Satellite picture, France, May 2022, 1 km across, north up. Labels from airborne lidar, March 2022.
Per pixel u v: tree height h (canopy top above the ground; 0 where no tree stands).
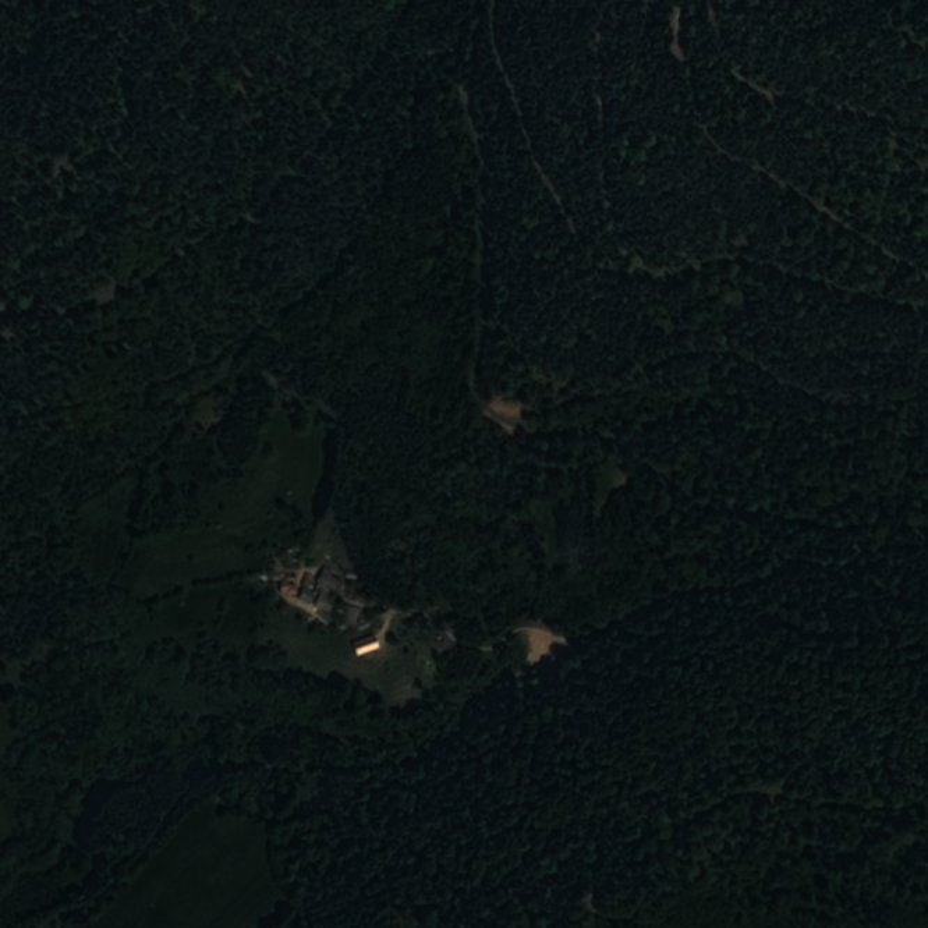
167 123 26
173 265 23
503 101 27
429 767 37
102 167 29
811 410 33
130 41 34
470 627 23
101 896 21
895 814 11
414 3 25
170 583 0
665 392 16
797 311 29
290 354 18
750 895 13
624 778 30
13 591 20
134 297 19
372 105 33
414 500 23
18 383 34
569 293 17
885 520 34
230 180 22
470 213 16
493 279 27
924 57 23
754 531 31
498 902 33
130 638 16
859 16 21
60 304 34
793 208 27
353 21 27
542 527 0
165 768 29
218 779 28
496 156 31
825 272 29
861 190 25
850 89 21
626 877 28
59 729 23
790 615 15
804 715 36
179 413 16
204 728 13
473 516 27
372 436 18
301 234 32
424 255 18
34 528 22
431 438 13
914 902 12
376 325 21
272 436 0
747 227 26
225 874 0
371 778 27
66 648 30
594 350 31
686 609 16
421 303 19
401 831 32
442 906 29
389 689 0
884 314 31
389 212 17
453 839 35
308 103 23
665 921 16
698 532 32
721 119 24
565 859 29
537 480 34
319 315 20
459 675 8
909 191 30
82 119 29
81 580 37
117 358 29
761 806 26
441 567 11
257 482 0
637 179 18
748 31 18
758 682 37
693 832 28
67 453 21
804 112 21
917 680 36
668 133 25
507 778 37
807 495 38
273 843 10
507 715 32
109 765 21
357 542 15
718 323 38
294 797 17
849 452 37
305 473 0
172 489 29
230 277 18
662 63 17
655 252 25
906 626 35
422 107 30
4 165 27
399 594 20
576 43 24
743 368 29
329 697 30
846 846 36
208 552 0
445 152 21
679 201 23
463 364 14
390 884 33
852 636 32
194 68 32
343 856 28
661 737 32
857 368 30
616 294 29
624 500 21
